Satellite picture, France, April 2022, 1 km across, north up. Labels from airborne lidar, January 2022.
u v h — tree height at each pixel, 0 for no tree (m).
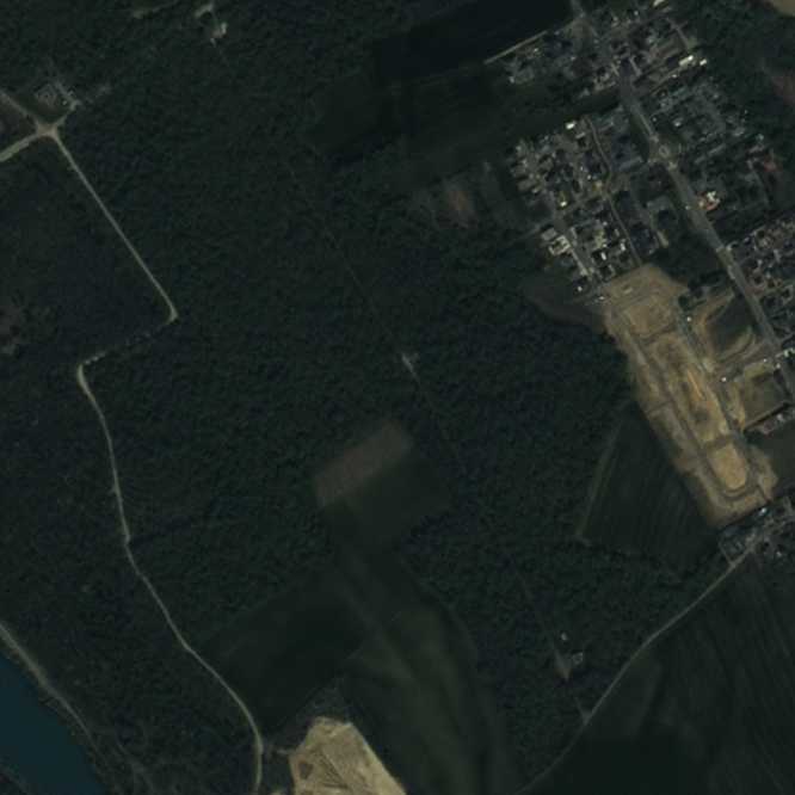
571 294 0
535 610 17
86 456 21
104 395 14
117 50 13
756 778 0
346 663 0
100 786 0
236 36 13
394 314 19
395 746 0
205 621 17
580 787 0
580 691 19
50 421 22
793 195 0
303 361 18
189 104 15
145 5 0
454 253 8
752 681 0
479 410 13
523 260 14
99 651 19
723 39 18
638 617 12
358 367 19
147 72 13
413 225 10
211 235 19
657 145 0
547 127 0
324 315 17
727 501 0
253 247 19
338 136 0
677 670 0
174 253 14
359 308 18
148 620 19
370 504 0
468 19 0
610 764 0
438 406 18
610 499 0
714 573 9
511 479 17
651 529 0
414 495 0
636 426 0
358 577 0
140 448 12
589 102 0
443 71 0
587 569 19
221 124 21
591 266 0
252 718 0
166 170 18
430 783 0
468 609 12
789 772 0
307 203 17
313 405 12
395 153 7
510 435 18
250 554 18
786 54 14
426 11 16
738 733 0
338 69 7
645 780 0
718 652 0
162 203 15
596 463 8
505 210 0
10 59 16
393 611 0
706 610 0
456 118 0
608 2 15
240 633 0
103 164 16
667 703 0
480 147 0
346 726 0
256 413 18
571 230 0
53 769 0
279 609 0
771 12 23
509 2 0
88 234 23
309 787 0
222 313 18
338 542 0
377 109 0
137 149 6
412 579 0
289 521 19
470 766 0
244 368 18
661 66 0
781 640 0
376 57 0
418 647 0
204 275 21
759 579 0
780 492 0
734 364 0
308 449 20
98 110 15
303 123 14
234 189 20
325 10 14
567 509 16
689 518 0
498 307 16
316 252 18
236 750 27
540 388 12
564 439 19
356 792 0
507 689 14
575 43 0
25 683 0
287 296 13
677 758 0
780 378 9
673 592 15
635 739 0
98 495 22
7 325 0
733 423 0
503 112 0
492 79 0
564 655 0
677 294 0
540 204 0
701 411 0
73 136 13
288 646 0
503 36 0
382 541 0
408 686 0
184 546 19
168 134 19
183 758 21
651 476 0
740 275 0
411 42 0
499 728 0
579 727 15
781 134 16
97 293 23
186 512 0
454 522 14
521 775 0
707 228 0
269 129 17
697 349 0
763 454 0
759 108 17
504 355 19
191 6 6
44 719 0
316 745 0
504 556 15
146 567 18
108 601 27
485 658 14
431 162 0
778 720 0
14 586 15
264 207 19
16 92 13
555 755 14
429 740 0
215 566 15
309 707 0
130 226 11
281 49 18
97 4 16
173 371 19
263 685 0
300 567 17
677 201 0
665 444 0
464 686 0
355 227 15
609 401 16
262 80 20
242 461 18
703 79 0
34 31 19
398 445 0
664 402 0
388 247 11
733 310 0
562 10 0
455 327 15
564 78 9
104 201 9
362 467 0
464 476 6
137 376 18
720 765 0
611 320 0
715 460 0
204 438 7
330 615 0
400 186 0
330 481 0
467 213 0
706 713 0
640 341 0
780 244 0
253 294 24
